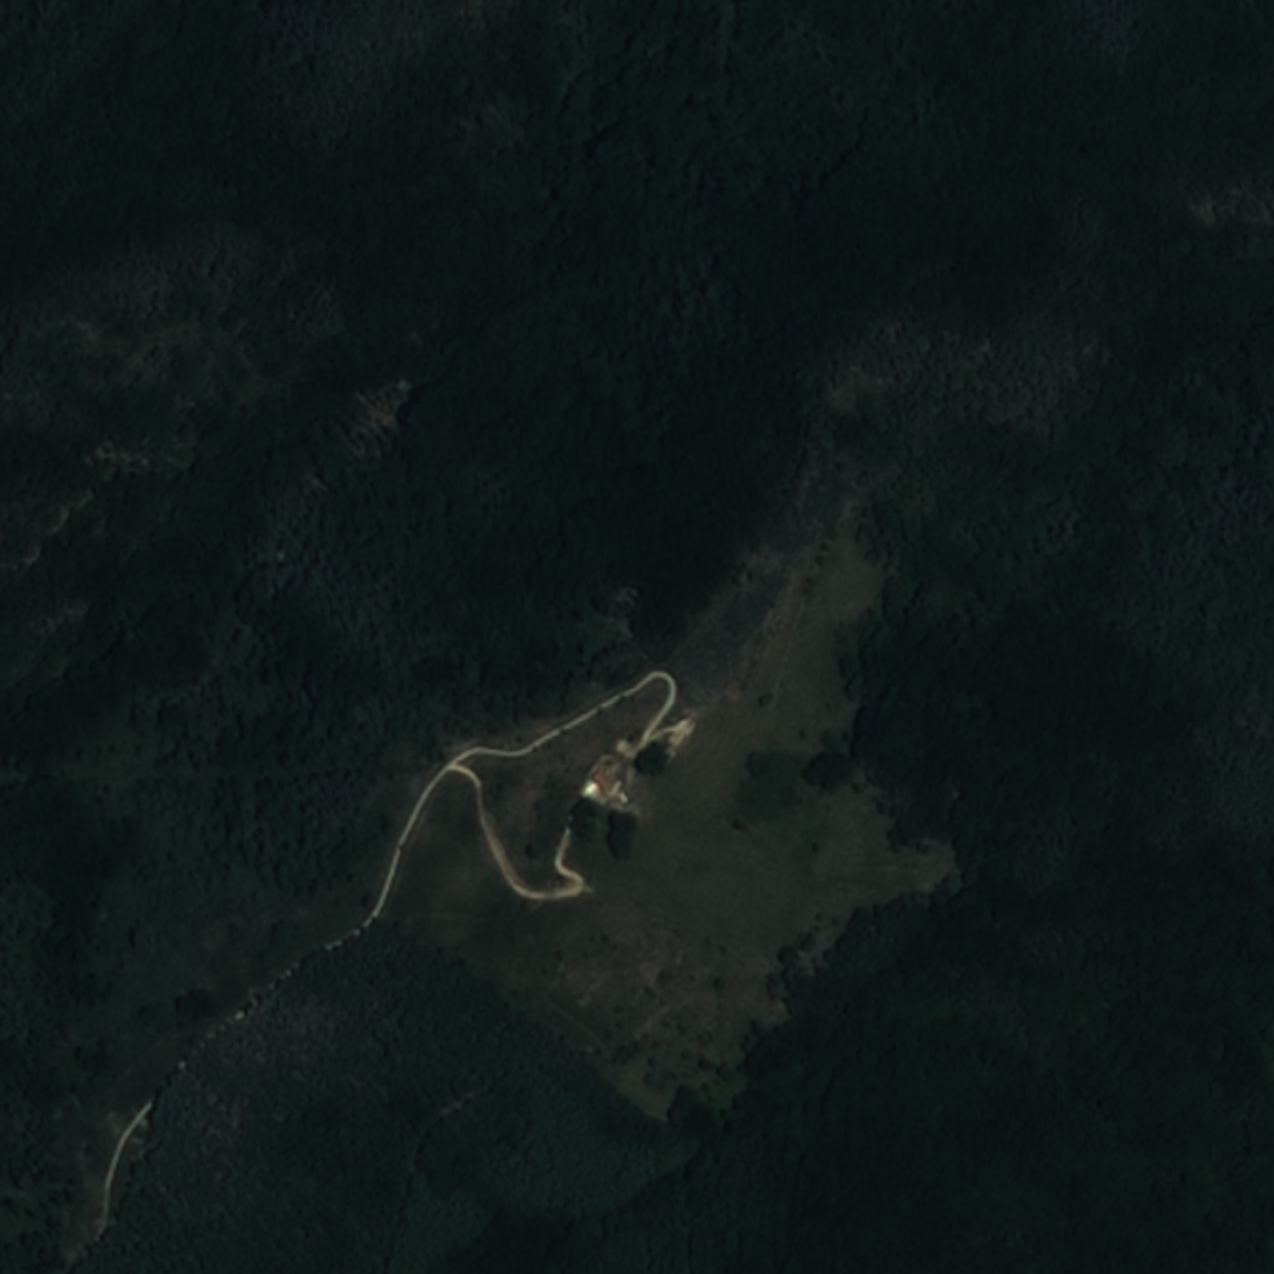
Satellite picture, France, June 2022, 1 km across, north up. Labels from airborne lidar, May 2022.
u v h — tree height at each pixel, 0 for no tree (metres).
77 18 10
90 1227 0
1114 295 20
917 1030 27
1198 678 9
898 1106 19
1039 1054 17
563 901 0
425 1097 12
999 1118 35
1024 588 14
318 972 12
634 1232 13
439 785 0
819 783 14
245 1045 14
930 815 13
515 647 15
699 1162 18
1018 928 20
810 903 0
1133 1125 28
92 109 25
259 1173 12
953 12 23
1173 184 13
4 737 23
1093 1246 21
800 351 13
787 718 0
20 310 15
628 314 18
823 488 8
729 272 18
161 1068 0
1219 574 12
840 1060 18
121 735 0
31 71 6
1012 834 17
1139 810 17
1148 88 21
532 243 22
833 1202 21
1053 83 30
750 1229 15
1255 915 14
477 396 24
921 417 19
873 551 8
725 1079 7
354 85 23
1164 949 19
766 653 0
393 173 27
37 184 19
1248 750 15
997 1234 16
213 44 23
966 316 15
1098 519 20
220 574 29
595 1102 14
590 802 18
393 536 17
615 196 24
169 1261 13
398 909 0
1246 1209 26
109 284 5
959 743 16
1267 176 14
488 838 0
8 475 17
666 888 0
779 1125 20
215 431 14
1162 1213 23
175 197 16
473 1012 15
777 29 17
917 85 9
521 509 14
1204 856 20
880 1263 18
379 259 18
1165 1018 20
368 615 13
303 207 26
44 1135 10
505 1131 14
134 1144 0
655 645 9
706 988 0
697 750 0
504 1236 21
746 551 9
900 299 12
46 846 23
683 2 14
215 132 27
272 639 11
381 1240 12
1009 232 22
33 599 16
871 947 12
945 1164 21
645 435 12
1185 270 23
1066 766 20
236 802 8
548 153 19
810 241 23
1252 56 23
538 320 24
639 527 21
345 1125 13
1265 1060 18
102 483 13
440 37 16
